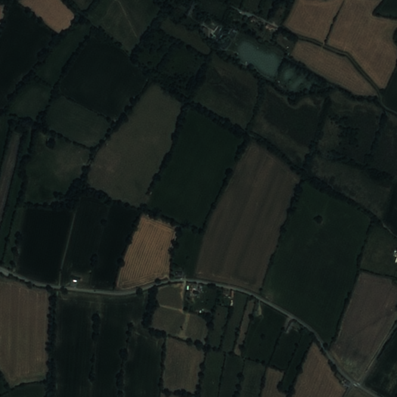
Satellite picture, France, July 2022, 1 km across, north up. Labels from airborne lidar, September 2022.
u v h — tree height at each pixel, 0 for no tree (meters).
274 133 0
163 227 0
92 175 0
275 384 0
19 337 0
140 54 7
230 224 0
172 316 0
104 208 0
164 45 10
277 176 0
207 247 0
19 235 17
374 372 0
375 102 14
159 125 0
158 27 6
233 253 0
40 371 0
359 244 0
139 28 0
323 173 0
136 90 0
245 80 0
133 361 0
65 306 0
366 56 0
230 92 0
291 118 0
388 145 0
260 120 0
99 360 0
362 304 0
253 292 0
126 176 0
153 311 16
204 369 13
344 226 0
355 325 0
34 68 11
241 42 0
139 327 0
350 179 0
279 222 0
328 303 0
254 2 0
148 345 0
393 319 0
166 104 0
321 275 0
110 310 0
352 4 0
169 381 0
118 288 0
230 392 0
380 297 0
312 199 0
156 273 0
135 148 0
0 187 0
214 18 9
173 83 6
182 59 0
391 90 0
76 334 0
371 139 0
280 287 0
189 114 0
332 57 0
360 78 0
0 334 0
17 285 0
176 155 0
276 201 0
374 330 0
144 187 0
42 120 10
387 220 0
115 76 0
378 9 7
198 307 0
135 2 0
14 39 0
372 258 0
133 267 0
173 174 0
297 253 0
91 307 0
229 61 14
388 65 0
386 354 0
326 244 0
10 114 7
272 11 14
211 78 0
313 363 0
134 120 0
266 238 0
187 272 0
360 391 0
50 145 14
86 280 0
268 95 0
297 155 0
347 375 0
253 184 0
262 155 0
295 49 0
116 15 0
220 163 0
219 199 6
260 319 0
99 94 0
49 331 14
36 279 0
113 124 13
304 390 0
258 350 0
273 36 14
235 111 0
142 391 0
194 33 0
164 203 0
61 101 0
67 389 0
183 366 0
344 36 0
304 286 0
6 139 9
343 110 0
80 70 0
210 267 0
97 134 0
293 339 0
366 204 0
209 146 0
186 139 0
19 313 0
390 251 0
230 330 0
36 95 0
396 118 0
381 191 0
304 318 0
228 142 0
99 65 0
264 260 0
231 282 0
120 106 0
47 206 16
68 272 0
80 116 0
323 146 0
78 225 0
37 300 0
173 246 17
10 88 0
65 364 0
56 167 0
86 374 0
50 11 0
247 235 0
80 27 0
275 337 0
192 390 0
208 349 22
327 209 0
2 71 0
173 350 0
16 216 8
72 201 25
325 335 0
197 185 0
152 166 0
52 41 10
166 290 0
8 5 19
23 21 0
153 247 0
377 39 0
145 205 11
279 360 0
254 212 0
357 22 0
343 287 0
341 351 0
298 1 0
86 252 0
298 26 0
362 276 0
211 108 0
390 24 0
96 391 0
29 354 0
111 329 0
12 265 15
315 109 0
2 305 0
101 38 11
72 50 0
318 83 27
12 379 0
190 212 0
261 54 0
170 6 14
